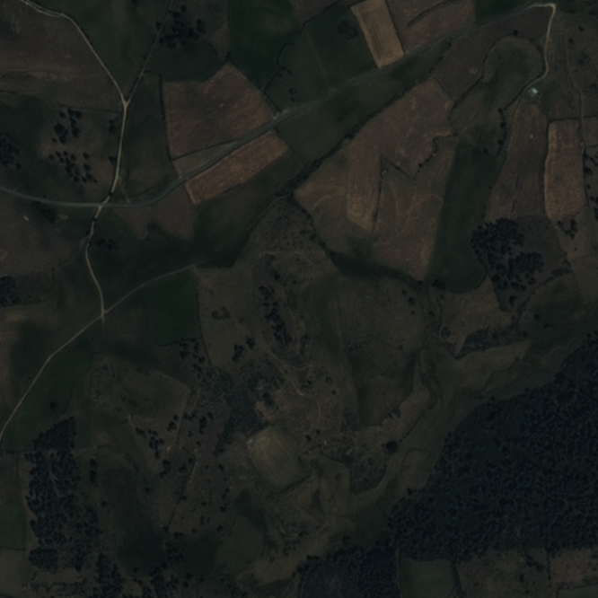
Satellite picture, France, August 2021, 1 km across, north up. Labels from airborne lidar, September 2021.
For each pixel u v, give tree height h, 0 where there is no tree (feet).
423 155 0
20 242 0
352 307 0
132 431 0
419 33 0
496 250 47
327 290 0
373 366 0
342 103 0
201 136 0
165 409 0
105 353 0
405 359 0
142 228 0
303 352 0
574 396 40
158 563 0
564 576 0
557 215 0
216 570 0
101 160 0
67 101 0
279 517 0
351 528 0
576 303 0
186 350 31
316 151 0
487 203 0
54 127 0
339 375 0
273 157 0
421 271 0
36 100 0
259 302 0
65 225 0
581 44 0
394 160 0
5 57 0
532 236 0
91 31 0
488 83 0
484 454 0
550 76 0
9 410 0
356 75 0
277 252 0
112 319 0
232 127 0
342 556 47
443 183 0
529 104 0
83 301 0
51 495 52
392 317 0
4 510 0
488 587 0
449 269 0
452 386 0
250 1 0
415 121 0
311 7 0
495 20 0
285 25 0
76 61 0
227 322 0
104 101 0
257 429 0
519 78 0
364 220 0
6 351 0
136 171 0
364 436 0
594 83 0
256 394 0
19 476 0
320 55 0
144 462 0
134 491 0
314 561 30
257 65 0
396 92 0
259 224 0
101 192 0
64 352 0
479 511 44
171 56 0
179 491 0
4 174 0
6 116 0
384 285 0
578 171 0
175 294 0
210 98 0
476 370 0
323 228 0
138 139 0
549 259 0
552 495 47
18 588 0
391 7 0
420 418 0
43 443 33
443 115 0
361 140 0
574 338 0
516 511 43
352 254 0
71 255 0
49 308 0
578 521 36
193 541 0
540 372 0
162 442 31
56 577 0
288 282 0
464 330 0
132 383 0
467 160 0
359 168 0
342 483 0
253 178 0
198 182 0
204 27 23
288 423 0
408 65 0
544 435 39
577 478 39
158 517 0
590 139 0
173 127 0
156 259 0
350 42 0
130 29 0
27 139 0
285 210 0
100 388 0
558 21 0
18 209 0
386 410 0
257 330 0
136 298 0
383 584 56
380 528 0
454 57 0
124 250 0
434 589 0
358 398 0
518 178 0
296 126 0
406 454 0
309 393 0
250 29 0
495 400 26
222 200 0
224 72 0
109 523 0
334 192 0
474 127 0
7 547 0
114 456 0
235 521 0
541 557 0
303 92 0
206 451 0
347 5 0
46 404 0
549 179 0
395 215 0
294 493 0
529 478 37
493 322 0
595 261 0
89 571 0
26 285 0
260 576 0
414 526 54
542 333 0
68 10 0
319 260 0
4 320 0
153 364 0
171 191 0
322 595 0
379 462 0
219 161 0
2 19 0
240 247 0
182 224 0
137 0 38
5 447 0
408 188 0
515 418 0
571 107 0
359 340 0
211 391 0
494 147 0
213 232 0
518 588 0
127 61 0
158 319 0
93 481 44
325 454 0
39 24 0
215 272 0
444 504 0
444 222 0
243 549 0
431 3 0
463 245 0
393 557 59
